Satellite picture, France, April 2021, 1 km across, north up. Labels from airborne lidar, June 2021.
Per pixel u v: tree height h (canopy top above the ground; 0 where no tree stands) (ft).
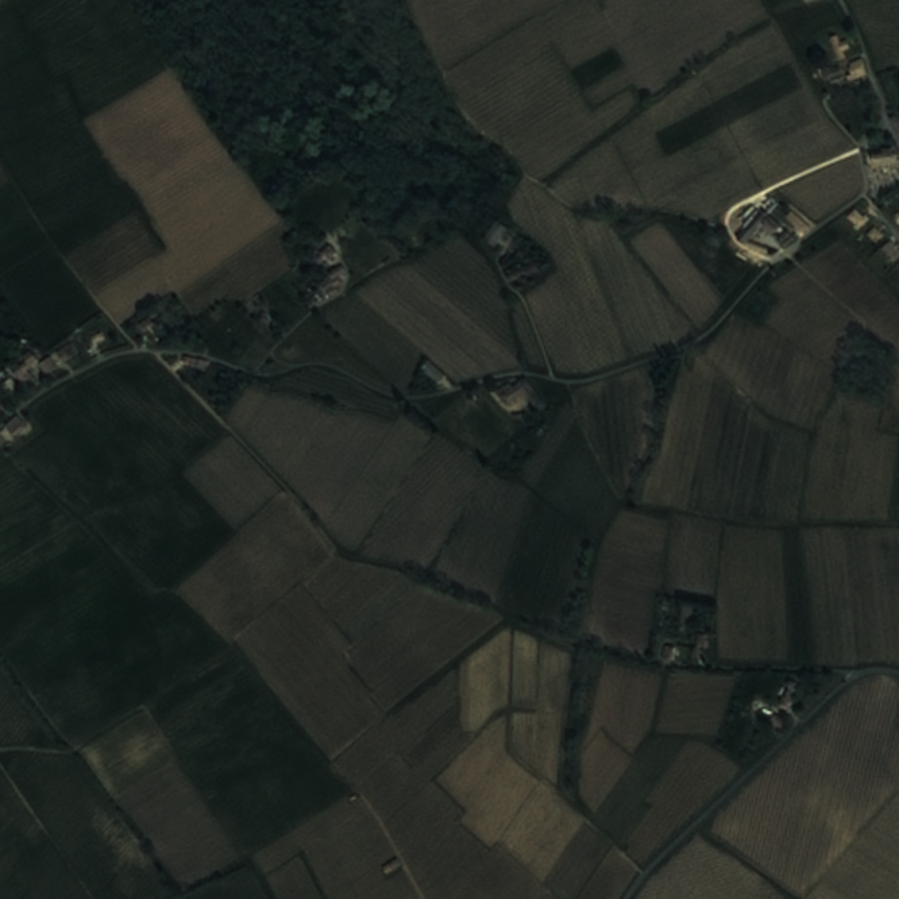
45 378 35
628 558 0
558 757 0
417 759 0
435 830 0
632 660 24
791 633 0
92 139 0
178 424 0
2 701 0
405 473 0
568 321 0
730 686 0
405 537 0
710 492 0
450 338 0
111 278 0
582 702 38
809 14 0
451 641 0
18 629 0
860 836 0
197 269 0
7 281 0
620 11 0
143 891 0
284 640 0
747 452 0
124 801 0
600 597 0
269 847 0
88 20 0
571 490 0
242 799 0
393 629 0
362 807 0
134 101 0
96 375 0
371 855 0
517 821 0
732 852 0
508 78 0
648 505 0
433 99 53
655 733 0
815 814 0
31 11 0
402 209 45
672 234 0
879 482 0
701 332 0
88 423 0
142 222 0
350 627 0
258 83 54
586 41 0
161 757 0
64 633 0
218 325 0
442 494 0
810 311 0
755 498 0
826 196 0
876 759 0
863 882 0
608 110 0
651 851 0
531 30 0
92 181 0
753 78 0
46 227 0
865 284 0
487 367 0
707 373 0
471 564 0
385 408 0
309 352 0
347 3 51
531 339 0
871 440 0
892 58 0
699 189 0
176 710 0
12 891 0
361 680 0
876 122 49
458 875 0
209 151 0
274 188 52
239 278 0
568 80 0
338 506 0
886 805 0
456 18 0
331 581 0
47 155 0
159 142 0
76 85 0
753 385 0
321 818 0
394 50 57
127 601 0
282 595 0
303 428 0
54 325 0
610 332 0
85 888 0
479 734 0
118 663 0
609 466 0
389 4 52
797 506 0
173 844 0
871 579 0
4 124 0
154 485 0
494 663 0
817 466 0
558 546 0
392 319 0
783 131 0
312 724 0
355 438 0
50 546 0
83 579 0
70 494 0
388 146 61
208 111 42
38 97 0
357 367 0
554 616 0
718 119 0
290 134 89
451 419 0
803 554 0
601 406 0
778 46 0
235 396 45
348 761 0
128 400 0
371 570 0
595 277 0
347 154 66
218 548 0
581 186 0
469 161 58
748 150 0
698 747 0
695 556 0
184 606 0
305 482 0
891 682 0
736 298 0
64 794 0
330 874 0
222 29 84
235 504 0
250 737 0
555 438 0
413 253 21
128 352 0
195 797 0
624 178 0
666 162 0
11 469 0
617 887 0
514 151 0
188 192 0
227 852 0
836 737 0
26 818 0
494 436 0
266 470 0
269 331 46
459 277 0
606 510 0
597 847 0
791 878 0
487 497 0
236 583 0
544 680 0
